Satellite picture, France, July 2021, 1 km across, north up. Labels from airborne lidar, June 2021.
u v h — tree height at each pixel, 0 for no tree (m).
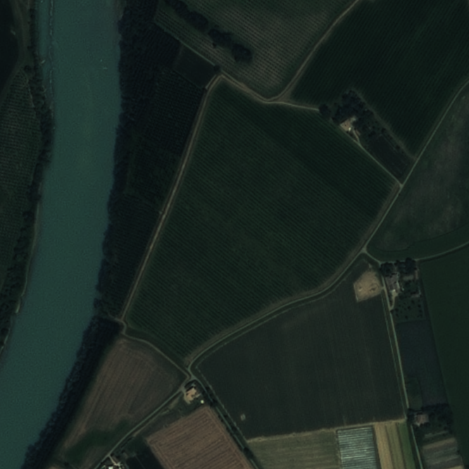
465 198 0
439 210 0
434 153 0
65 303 0
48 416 0
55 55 0
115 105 0
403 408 0
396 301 0
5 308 13
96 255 0
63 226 0
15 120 12
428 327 0
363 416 0
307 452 0
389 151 0
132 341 0
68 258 0
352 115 9
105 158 0
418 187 0
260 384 0
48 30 0
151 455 0
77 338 0
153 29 24
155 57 30
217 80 0
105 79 0
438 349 0
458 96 0
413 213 0
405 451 0
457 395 0
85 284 0
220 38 30
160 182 7
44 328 0
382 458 0
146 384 0
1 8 0
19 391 0
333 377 0
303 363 0
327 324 0
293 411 0
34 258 0
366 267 0
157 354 0
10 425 0
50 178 0
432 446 0
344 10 0
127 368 0
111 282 13
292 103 0
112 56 0
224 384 0
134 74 16
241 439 0
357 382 0
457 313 0
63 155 0
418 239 0
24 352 0
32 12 11
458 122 0
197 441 0
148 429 0
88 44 0
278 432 0
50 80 0
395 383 0
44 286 0
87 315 0
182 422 0
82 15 0
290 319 0
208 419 0
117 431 0
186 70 0
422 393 0
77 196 0
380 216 0
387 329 0
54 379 0
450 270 0
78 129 0
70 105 0
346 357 0
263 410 0
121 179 34
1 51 0
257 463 0
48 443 21
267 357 0
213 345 0
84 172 0
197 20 30
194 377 0
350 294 0
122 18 0
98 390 0
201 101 12
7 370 0
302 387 0
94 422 0
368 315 0
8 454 0
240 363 0
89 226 0
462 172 0
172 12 0
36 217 23
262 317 0
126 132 27
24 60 0
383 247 0
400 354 0
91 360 23
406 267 9
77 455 0
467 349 0
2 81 0
